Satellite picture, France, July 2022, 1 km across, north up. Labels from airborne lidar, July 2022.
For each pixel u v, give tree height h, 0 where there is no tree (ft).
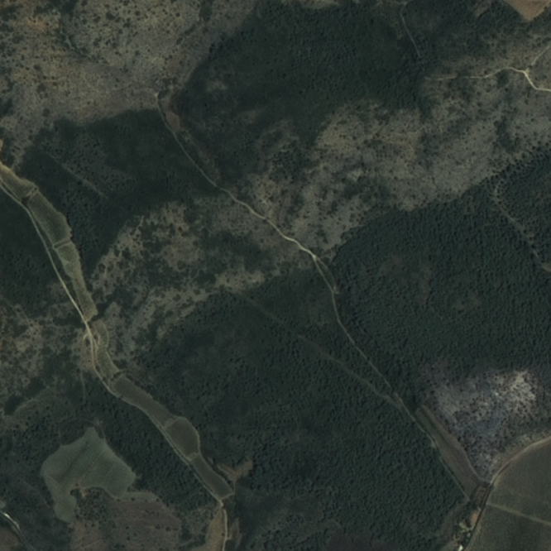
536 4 0
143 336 0
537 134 21
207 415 33
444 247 36
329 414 21
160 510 0
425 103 33
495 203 43
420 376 26
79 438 0
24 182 0
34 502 21
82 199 24
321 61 30
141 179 0
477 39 27
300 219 0
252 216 0
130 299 0
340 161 0
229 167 0
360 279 37
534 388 31
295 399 32
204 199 0
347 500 40
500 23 20
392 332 26
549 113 0
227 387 39
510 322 37
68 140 0
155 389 28
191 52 0
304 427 19
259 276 0
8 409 0
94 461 0
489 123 0
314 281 37
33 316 0
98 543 0
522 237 49
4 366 0
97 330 0
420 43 31
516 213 35
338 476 40
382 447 45
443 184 0
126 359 0
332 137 0
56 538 0
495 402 28
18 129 0
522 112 0
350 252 38
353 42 30
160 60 0
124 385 0
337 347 31
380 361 33
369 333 54
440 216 49
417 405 36
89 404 23
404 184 0
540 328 43
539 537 0
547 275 22
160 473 35
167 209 0
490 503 0
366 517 39
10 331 0
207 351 0
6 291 0
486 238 40
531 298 38
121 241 0
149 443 24
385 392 43
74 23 0
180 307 0
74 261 0
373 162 0
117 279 0
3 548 0
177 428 0
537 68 0
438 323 25
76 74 0
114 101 0
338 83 21
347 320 42
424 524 32
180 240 0
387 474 33
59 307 0
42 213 0
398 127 0
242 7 0
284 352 41
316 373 35
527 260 37
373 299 27
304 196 0
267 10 26
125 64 0
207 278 0
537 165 38
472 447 27
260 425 28
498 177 38
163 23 0
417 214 37
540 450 0
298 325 31
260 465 31
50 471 0
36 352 0
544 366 50
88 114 0
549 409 24
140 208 0
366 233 26
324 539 38
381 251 29
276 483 38
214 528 0
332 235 0
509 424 42
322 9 21
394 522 33
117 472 0
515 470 0
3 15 0
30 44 0
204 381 31
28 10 0
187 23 0
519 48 0
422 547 48
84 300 0
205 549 0
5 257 30
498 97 0
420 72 26
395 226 40
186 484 55
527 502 0
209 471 0
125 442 41
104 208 19
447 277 25
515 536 0
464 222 49
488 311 38
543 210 32
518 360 35
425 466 38
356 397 26
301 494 39
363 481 32
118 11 0
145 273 0
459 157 0
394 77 44
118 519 0
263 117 0
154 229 0
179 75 0
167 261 0
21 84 0
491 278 34
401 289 20
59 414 0
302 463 34
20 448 23
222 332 0
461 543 25
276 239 0
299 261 0
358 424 36
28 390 0
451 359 27
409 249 33
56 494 0
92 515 19
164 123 23
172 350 20
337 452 31
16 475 0
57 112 0
